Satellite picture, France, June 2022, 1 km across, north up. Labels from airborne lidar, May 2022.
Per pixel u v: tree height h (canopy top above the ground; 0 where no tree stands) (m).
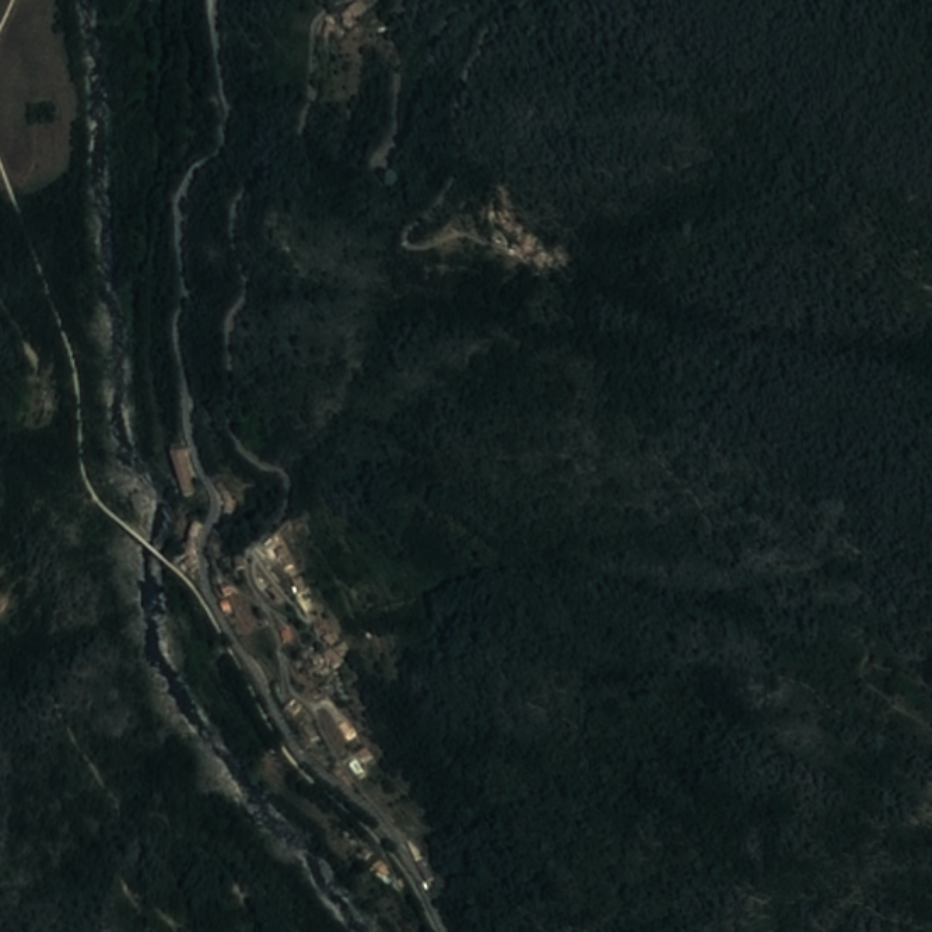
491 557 6
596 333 9
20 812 7
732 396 17
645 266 10
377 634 9
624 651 10
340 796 11
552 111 6
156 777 14
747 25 23
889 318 10
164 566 14
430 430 18
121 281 22
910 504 21
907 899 7
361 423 7
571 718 9
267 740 14
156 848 8
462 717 13
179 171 19
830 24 17
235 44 10
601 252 11
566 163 16
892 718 6
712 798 13
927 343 14
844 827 9
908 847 9
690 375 9
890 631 14
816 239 7
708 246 10
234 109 11
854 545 7
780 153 15
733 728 25
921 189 13
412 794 11
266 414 7
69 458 7
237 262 14
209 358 10
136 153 15
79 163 15
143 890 12
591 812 6
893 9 16
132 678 7
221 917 19
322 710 0
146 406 11
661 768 6
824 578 6
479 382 6
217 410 22
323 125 7
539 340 8
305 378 7
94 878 10
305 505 11
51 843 5
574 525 14
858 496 18
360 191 9
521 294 7
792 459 14
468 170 6
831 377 23
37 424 7
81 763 10
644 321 8
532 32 16
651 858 9
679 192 11
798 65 24
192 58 8
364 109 13
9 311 7
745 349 26
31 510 7
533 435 6
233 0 14
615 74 13
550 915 7
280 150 29
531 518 8
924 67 16
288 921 17
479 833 31
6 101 0
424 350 6
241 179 6
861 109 18
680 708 14
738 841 9
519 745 12
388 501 29
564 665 7
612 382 12
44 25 0
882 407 19
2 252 19
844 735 17
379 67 8
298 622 10
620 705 13
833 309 10
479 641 28
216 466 7
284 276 8
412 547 15
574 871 8
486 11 10
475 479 10
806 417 17
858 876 7
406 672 11
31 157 0
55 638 8
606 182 17
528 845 6
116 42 11
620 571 8
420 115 23
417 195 12
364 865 14
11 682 15
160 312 9
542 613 6
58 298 15
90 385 12
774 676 6
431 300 8
